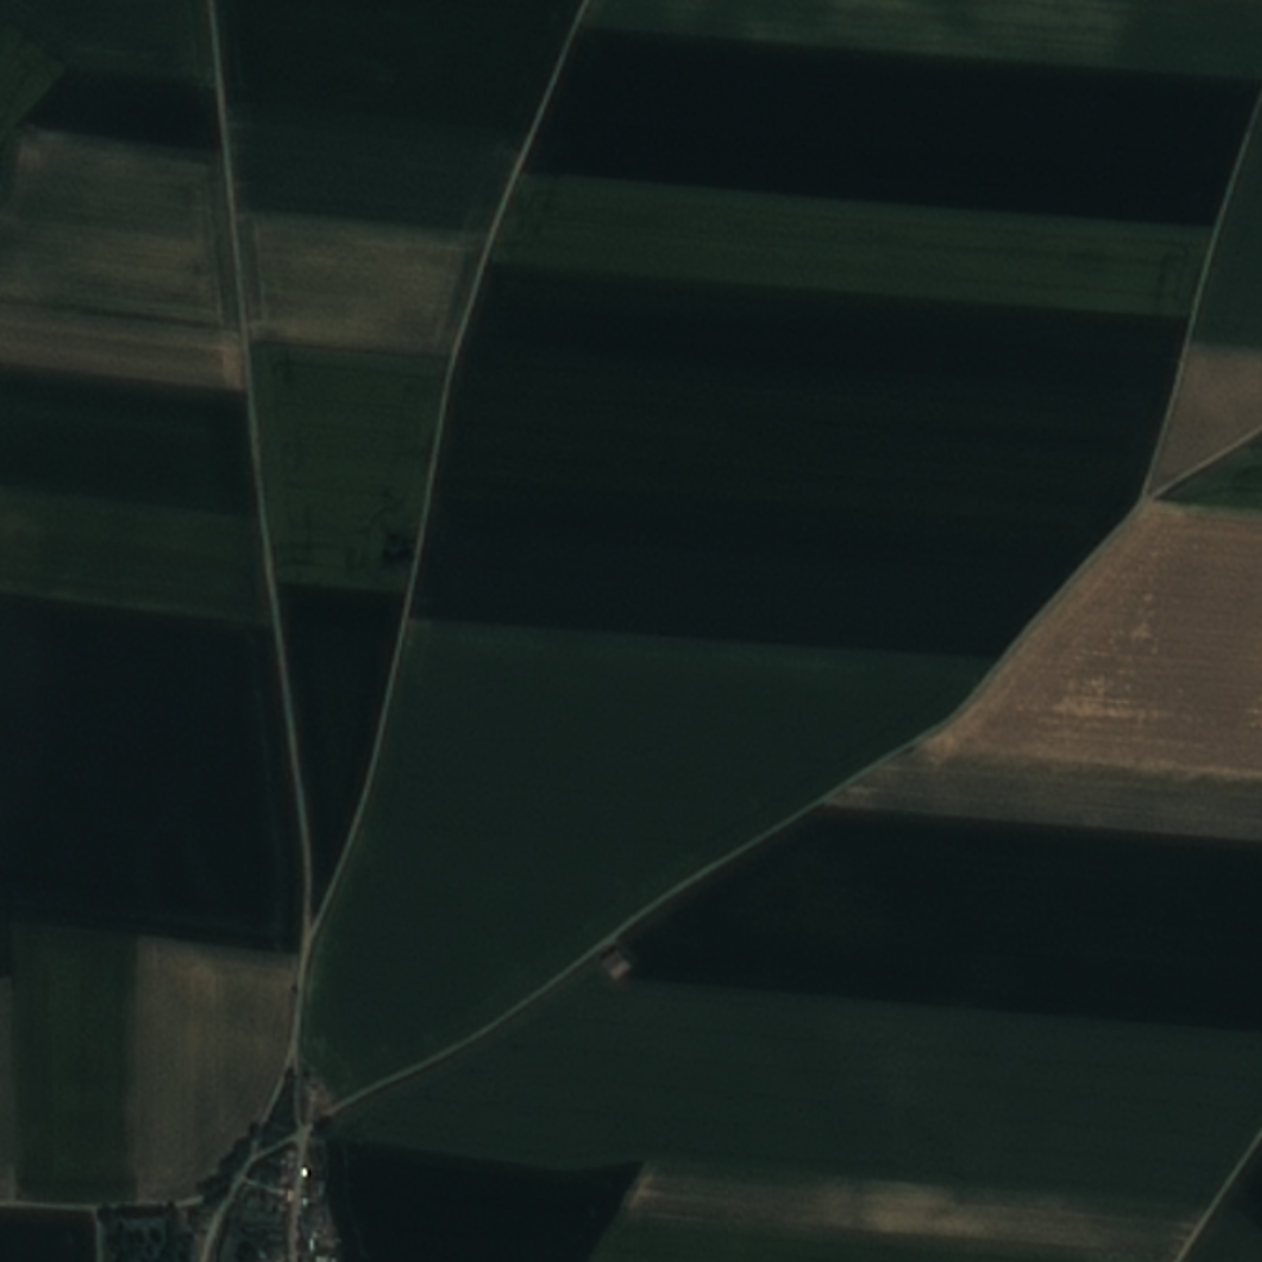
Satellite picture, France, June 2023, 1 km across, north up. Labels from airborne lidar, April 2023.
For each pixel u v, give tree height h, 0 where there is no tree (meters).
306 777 0
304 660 0
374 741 0
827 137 0
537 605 0
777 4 0
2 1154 0
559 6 0
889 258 0
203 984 0
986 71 0
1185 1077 0
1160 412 0
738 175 0
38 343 0
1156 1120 0
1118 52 0
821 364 0
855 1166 0
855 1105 0
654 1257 0
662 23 0
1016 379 0
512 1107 0
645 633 0
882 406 0
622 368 0
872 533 0
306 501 0
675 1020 0
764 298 0
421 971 0
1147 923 0
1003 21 0
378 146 0
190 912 0
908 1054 0
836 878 0
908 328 0
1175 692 0
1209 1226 0
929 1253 0
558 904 0
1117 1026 0
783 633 0
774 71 0
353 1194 0
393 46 0
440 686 0
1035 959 0
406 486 0
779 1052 0
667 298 0
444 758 0
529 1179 0
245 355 0
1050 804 0
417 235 0
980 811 0
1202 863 0
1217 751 0
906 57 0
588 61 0
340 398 0
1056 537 0
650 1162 0
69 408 0
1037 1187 0
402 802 0
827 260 0
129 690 0
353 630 0
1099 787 0
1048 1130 0
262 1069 0
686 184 0
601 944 0
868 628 0
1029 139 0
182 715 0
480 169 0
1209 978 0
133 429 0
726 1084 0
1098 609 0
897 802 0
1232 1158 0
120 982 0
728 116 0
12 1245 0
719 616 0
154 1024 0
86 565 0
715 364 0
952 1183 0
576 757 0
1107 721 0
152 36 0
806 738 0
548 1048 0
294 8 0
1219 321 0
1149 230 0
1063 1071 0
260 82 0
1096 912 0
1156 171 0
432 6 0
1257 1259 0
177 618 0
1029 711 0
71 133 0
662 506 0
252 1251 9
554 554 0
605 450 0
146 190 0
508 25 0
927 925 0
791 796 0
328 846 0
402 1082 0
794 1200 0
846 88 0
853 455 0
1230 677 0
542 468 0
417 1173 0
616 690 0
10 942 0
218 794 0
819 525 0
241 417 0
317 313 0
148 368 0
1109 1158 0
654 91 0
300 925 0
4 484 0
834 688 0
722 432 0
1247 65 0
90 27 0
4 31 0
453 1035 0
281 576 0
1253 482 0
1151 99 0
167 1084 0
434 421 0
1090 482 0
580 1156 0
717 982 0
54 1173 0
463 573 0
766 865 0
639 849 0
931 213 0
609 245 0
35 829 0
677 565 0
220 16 0
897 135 0
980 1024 0
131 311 0
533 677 0
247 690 0
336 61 0
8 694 0
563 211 0
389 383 0
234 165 0
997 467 0
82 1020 0
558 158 0
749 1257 0
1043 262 0
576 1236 0
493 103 0
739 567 0
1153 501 0
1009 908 0
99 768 0
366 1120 0
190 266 0
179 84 0
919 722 0
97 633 0
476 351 0
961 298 0
